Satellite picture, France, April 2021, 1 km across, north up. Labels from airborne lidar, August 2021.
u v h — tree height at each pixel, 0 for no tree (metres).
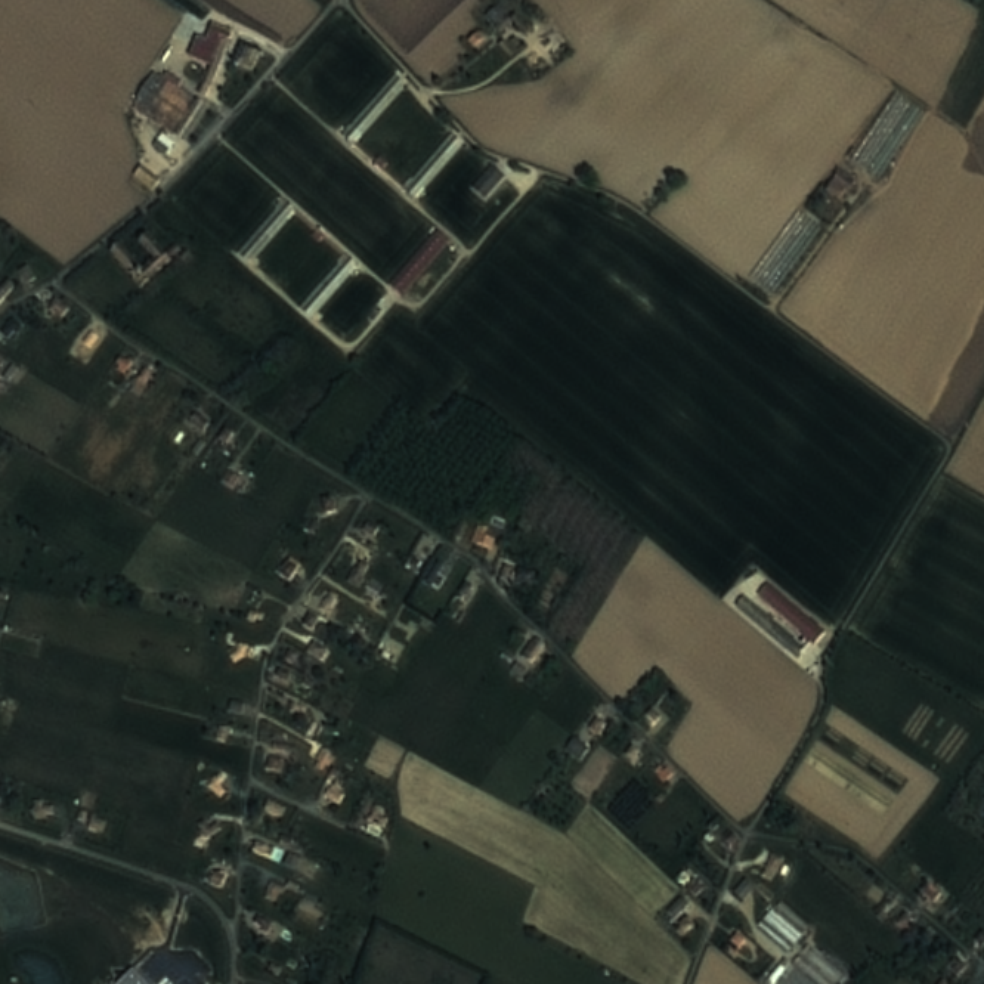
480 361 0
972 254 0
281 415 0
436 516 17
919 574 0
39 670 0
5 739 0
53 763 0
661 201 9
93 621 0
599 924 0
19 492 0
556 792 7
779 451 0
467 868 0
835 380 0
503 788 0
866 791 0
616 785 0
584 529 16
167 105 0
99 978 0
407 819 0
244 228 0
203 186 0
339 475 0
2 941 0
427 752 0
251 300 0
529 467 19
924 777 0
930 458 0
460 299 0
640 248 0
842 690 0
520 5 8
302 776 13
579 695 0
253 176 0
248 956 8
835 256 0
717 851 0
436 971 0
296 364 18
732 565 0
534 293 0
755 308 0
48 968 0
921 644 0
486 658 0
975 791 12
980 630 0
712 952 0
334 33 0
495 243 0
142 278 0
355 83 0
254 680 0
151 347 7
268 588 0
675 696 14
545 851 0
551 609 6
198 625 0
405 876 0
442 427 18
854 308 0
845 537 0
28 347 0
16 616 0
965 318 0
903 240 0
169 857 0
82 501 0
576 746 0
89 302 0
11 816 10
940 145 0
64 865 0
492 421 18
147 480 0
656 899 0
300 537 6
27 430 0
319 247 0
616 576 16
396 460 17
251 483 0
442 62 0
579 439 0
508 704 0
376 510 0
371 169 0
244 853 11
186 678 0
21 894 0
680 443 0
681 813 0
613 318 0
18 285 11
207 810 0
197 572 0
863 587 0
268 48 0
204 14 0
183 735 0
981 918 7
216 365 0
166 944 0
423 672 0
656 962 0
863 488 0
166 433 0
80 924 0
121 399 0
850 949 0
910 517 0
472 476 18
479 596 0
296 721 10
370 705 0
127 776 0
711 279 0
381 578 0
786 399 0
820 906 0
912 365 0
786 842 0
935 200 0
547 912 0
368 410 0
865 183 0
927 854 0
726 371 0
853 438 0
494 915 0
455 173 0
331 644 12
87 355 0
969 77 0
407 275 0
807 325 0
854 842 0
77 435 0
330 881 0
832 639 0
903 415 0
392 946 0
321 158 0
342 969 8
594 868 0
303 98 0
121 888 0
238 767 0
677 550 0
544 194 0
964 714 0
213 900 0
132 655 0
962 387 0
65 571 6
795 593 0
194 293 0
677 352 0
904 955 9
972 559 0
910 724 0
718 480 0
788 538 0
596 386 0
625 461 0
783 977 0
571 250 0
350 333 0
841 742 0
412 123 0
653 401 0
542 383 0
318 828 0
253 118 0
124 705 0
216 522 0
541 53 0
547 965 0
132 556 0
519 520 8
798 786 0
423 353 0
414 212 0
